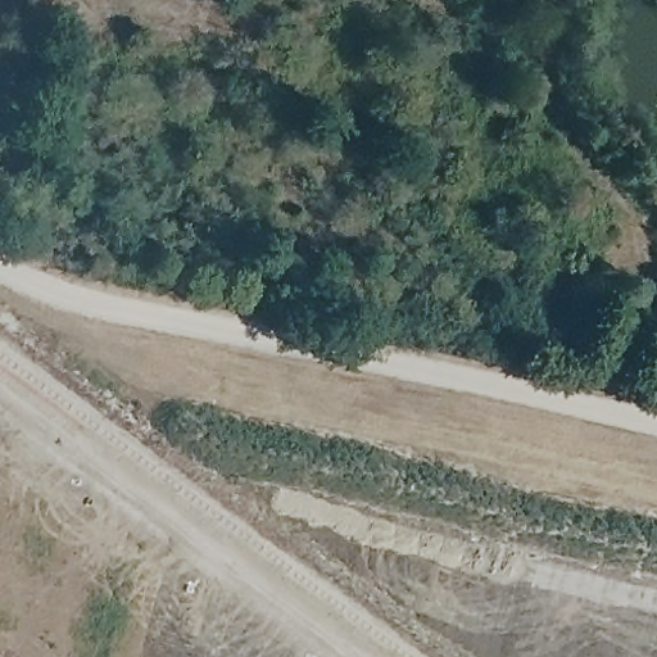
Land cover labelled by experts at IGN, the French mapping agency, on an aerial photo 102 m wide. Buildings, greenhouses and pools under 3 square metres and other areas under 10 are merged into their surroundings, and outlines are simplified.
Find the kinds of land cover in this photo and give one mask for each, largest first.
<instances>
[{"label":"herbaceous vegetation","instance_id":"1","mask_svg":"<svg viewBox=\"0 0 657 657\"><path fill-rule=\"evenodd\" d=\"M46 0H0V38L8 31H21L18 21L44 8ZM62 5H74L85 26L95 31V41L128 44V38L139 33V26L149 28V33L162 44V54L154 59L151 80L164 100L169 95H177L175 85L192 69L203 72L213 85V105L208 113L216 118H228L236 131L254 121L259 105H267L275 121V128L267 136V146L280 151L287 141L308 144V128L318 121H326L329 110L318 98L303 95L280 77L257 69L262 38L277 31L280 15L300 10V0H282L277 5H257L249 15L239 18L231 26L216 10L213 0H51ZM231 77H236V80H244V82H249V95H246V100H244V103H231V98H228V80H231ZM444 8L452 18L467 15L475 8L485 10V23L480 28V51L452 54V69L472 87L475 100L495 103H506L513 92L511 64L503 56L500 44L503 31L511 23H516L518 15H529L526 0H449ZM400 33V23L388 10H375L372 5L352 3L344 10V26L331 33L329 44L339 49L341 62L349 69H357L367 64V49H377L390 36ZM349 92V110L354 113L359 136L344 141L339 162H326V180H313L303 167L282 169V210L287 216H298L300 210H308L311 216L308 223L298 231L295 241L298 269H303L308 262L323 267L326 252H346L352 262H357L377 257V252L385 246L375 228H367L359 236H344L331 231L334 218L341 213L346 200L357 195L390 192V180L380 169V157H388L393 151L388 136L390 126L380 123L372 115V105L382 98H393V87L388 82L372 80L341 82ZM549 121L559 131H565L570 146H577L580 141L590 144L598 131L590 121L577 118V103H570L557 87L549 90ZM626 113H629V115H636V113H639V115H644V121H647V123H649V118H652V115L657 118V110H649L647 105H642L639 100H634L631 95H629V92H626ZM516 128V123L511 115H493L485 133L493 139V144H498L503 131ZM159 139L169 149L175 169L187 172L195 167L198 159L192 131L169 123L159 133ZM583 180L572 182L575 205L570 208V218H588L590 213L613 205L619 239L608 246L606 259H593L585 272L557 275L554 287L544 298V311L549 321L547 334H529L524 329L500 331L495 341L498 367L511 377H521L526 372V364L534 359L536 349L565 346L572 349L577 357L593 354L619 321L621 295H631L634 290H639L647 277L657 285V205H652L647 216L639 213L636 203L621 195L613 187L611 177L593 169L588 159L580 164ZM169 221L177 223L175 234L180 241L185 239V223L195 228L198 239L192 246V257L185 262L177 282L164 285L157 295L185 300L190 295V282L198 277L200 267H221L226 259L244 269V259H259L269 254L277 228L269 216L241 221L228 218V213L208 205L203 200V192L195 187H187L180 198V205L169 210ZM498 208H506V216H516L518 208H524L521 195L495 192L490 200L472 203L477 223L482 228L495 226ZM98 259H110V252L108 246L98 244L95 234L77 231L74 223H69L54 236L51 267L56 272L85 277L92 272V264ZM0 339L13 344L33 364H41L54 380H59L74 395L98 408L128 436L149 447L164 465L175 467L205 495H210L226 511L246 521L259 536L269 539L282 552L293 554L298 562L311 567L318 577L336 585L346 598L359 603L367 613L390 626L398 636H403L426 657H657V613L629 606H601L583 595L531 588L529 583L500 585L482 575H467L459 567H444L436 559L400 554L393 549L362 547L359 542L336 534L329 526H311L305 518L282 516L272 500L282 485L275 480L249 477L228 482L218 470L205 467L195 457L172 447L167 436L151 426V411L164 400H192L228 408L234 418H257L262 423L303 429L308 434L326 439H354L413 462H441L452 470H465L472 477L508 482L516 490L542 493L562 503H580L598 511L613 508L624 513H642L657 518V436L524 403H511L503 398L408 382L390 375H372L362 364L357 370H346L339 364H329L308 352L280 346L272 354H262L210 339L113 323L103 318L59 311L54 305L38 303L28 295L10 290L8 285H0ZM642 339L657 341V293L652 300V316L644 318L636 329ZM290 321V316L282 311L272 321L257 305L244 323L259 329L264 336L277 339L287 334ZM72 472L62 470L54 462L28 459V441L21 439V431L8 429V423L0 421V657H72L69 629L85 616V606L100 598H108L110 603H123L128 611L126 629L115 631L113 636L110 657H298L295 649L282 647V631L275 621H264L257 611H246L244 606H239V595H226L221 580L205 575L198 567L182 572L185 557L177 547V536H169L164 542L149 536L121 508H113L105 495H92L90 488L69 485ZM311 495L318 500H329L334 506L346 503L349 508L370 518H382L413 531H434L457 542L470 539L465 529L454 521L400 511L393 506H377L372 500L344 498L318 488Z\"/></svg>","mask_w":657,"mask_h":657},{"label":"deciduous trees","instance_id":"2","mask_svg":"<svg viewBox=\"0 0 657 657\"><path fill-rule=\"evenodd\" d=\"M352 3L372 5L375 10H388L400 23V33L390 36L377 49H367V64L357 69H349L341 62L339 49L329 44L331 33L344 26V10ZM449 0H300V10L280 15L277 31L262 38L257 69L280 77L303 95L318 98L329 110L326 121H318L308 128V144L287 141L280 151L267 146V136L275 128V121L267 105H259L254 121L236 131L228 118H216L208 113L213 105V85L203 72L192 69L175 85L177 95H169L164 100L151 80L154 59L162 54V44L149 33V28L139 26V33L128 38V44L95 41V31L85 26L74 5H62L51 0H46L44 8L18 21L21 31H8L0 38V262H31L41 272H56L51 267L54 236L69 223H74L77 231L95 234L98 244L108 246L110 252V259H98L92 264V272L85 277L90 282L157 295L164 285L177 282L185 262L192 257V246L198 239L195 228L185 223V239L180 241L175 234L177 223L169 221V210L180 205V198L187 187H195L203 192V200L208 205L228 213V218L241 221L269 216L277 228L269 254L259 259H244V269L226 259L221 267H200L198 277L190 282V295L185 300L195 311H228L244 323L257 305L272 321L282 311L290 316V321L287 334L277 339L280 346L308 352L329 364H339L346 370H357L362 364L370 362L377 349L398 346L413 352L452 354L462 359H475L482 367H498L495 341L500 331L524 329L529 334H547L549 321L544 311V298L554 287L557 275L585 272L593 259H606L608 246L619 239L613 205L590 213L588 218H570V208L575 205L572 182L583 180L580 164L588 159L593 169L611 177L613 187L621 195L636 203L639 213L647 216L652 205H657V118L652 115V118H649V123H647V121H644V115H639V113H636V115H629V113H626V92L621 72L629 62L624 49L626 23L639 5H657V0H526L529 15H518L516 23H511L503 31L500 44L503 56L511 64L513 92L506 103H495L475 100L472 87L452 69V54L480 51V28L485 23V10L475 8L467 15L452 18L444 8ZM372 80L388 82L393 87V98H382L372 105V115L380 123L390 126L388 136L393 151L388 157H380V169L390 180V192L357 195L346 200L341 213L334 218L331 231L344 236H359L367 228H375L385 246L377 252V257L357 262H352L346 252H326L323 267L308 262L303 269H298L295 241L298 231L308 223L311 216L308 210H300L298 216H287L282 210V169L303 167L313 180H326V162H339L344 141L359 136L354 113L349 110V92L341 82ZM557 87L570 103H577V118L590 121L598 131L590 144L580 141L577 146H570L565 131H559L549 121V90ZM493 115H511L516 123V128L503 131L498 144H493V139L485 133ZM169 123L192 131L198 159L195 167L187 172L175 169L169 149L159 139V133ZM495 192L521 195L524 208H518L516 216H506V208H498L495 226L482 228L477 223L472 203L490 200ZM216 10L231 26L239 18L249 15L257 5H277L282 0H213ZM246 95H249V82H244V80H236V77H231V80H228V98H231V103H244V100H246ZM657 293V285L647 277L639 290H634L631 295H621L619 321L593 354L577 357L572 349L565 346L536 349L534 359L526 364V372L521 377L539 390L565 395L601 393L624 403H634L642 411L657 416V341L642 339L636 329L644 318L652 316V300Z\"/></svg>","mask_w":657,"mask_h":657},{"label":"pervious surface","instance_id":"3","mask_svg":"<svg viewBox=\"0 0 657 657\"><path fill-rule=\"evenodd\" d=\"M0 285H8L10 290L28 295L38 303L54 305L59 311L103 318L113 323L210 339L262 354H272L280 346L277 339L264 336L259 329L244 323L228 311H195L185 300L157 295L90 282L85 277L56 272H41L31 262H0ZM0 421L8 423V429L21 431V439L28 441V459L54 462L62 470L72 472L69 485L90 488L92 495H105L113 508H121L149 536L164 542L169 536H177V547L185 557L182 572L198 567L205 575L221 580L226 595H239V606H244L246 611H257L264 621H275L282 631V647L295 649L298 657H426L403 636H398L390 626L367 613L359 603L346 598L336 585L318 577L311 567L298 562L293 554L282 552L269 539L259 536L246 521L226 511L210 495H205L175 467L164 465L149 447L128 436L98 408L74 395L59 380H54L41 364H33L13 344L0 339ZM372 375H390L408 382L503 398L511 403H524L657 436V416L642 411L634 403H624L601 393L565 395L539 390L521 377H511L498 367H482L475 359H462L452 354L413 352L398 346L377 349L370 362L362 364ZM282 516L305 518L311 526H329L336 534L359 542L362 547L393 549L400 554L436 559L444 567H459L467 575H482L500 585L529 583L531 588L583 595L601 606H629L657 613V572L608 565L598 552L593 559L565 557L542 547L508 544L475 529H465L470 539L457 542L434 531H413L382 518H370L349 508L346 503L334 506L329 500H318L311 495L282 485L272 500Z\"/></svg>","mask_w":657,"mask_h":657},{"label":"brushwood","instance_id":"4","mask_svg":"<svg viewBox=\"0 0 657 657\"><path fill-rule=\"evenodd\" d=\"M151 426L167 436L172 447L195 457L205 467L218 470L228 482L249 477L275 480L282 485L311 495L318 488L344 498L372 500L377 506H393L400 511L454 521L465 529H475L508 544L542 547L565 557L593 559L598 552L608 565L657 572V518L642 513H624L613 508L598 511L580 503H562L542 493L516 490L508 482L472 477L465 470H452L441 462H413L354 439H326L308 434L303 429L262 423L257 418H234L228 408L192 400H164L151 411ZM128 611L123 603H110L108 598H100L85 606V616L69 629L72 657H110L113 636L115 631L126 629Z\"/></svg>","mask_w":657,"mask_h":657},{"label":"water","instance_id":"5","mask_svg":"<svg viewBox=\"0 0 657 657\"><path fill-rule=\"evenodd\" d=\"M624 49L629 62L621 72L626 92H629V95H631L634 100H639L642 105H647L649 110H657V5H639L626 23Z\"/></svg>","mask_w":657,"mask_h":657}]
</instances>
